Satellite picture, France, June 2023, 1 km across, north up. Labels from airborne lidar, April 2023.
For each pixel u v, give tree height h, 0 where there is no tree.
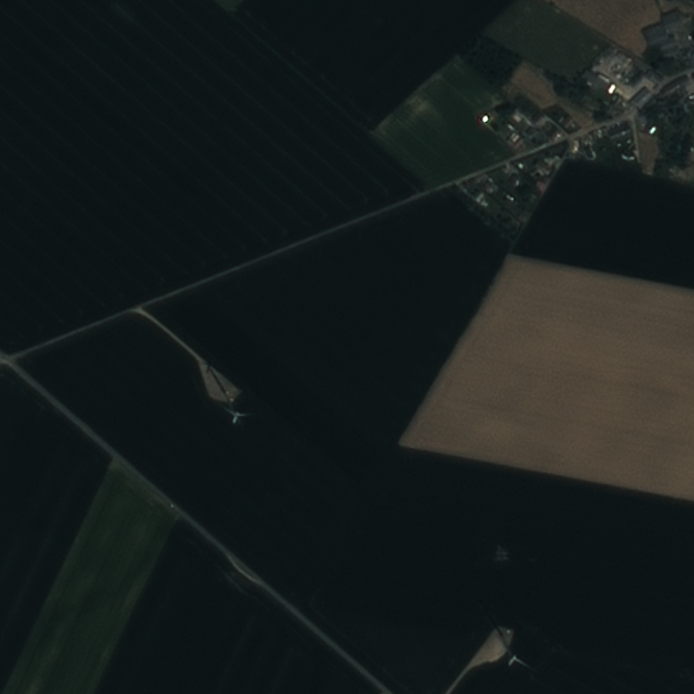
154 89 0
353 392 0
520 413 0
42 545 0
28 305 0
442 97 0
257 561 0
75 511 0
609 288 0
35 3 0
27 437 0
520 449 0
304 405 0
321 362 0
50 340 0
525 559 0
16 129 0
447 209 0
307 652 0
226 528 0
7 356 0
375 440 0
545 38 0
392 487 0
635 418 0
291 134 0
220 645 0
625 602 0
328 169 0
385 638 0
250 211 0
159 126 0
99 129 0
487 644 0
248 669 0
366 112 0
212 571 0
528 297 0
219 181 0
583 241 0
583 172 0
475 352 0
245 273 0
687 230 0
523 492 0
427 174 0
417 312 0
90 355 0
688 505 0
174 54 0
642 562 0
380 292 0
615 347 0
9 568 0
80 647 0
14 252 0
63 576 0
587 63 0
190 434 0
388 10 0
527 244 0
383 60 0
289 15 0
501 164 0
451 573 0
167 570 0
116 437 0
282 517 0
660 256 0
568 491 0
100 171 0
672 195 0
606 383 0
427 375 0
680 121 6
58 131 0
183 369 0
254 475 0
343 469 0
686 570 0
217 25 0
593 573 0
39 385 0
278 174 0
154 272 0
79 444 0
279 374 0
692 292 0
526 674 0
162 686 0
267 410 0
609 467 0
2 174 0
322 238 0
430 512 0
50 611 0
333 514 0
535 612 0
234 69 0
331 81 0
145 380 0
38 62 0
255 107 0
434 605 0
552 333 0
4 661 0
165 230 0
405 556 0
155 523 0
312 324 0
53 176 0
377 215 0
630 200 0
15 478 0
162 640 0
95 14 0
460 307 0
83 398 0
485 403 0
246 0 0
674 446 0
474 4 0
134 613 0
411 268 0
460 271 0
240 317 0
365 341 0
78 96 0
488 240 0
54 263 0
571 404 0
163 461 0
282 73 0
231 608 0
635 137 0
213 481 0
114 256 0
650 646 0
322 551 0
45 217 0
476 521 0
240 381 0
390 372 0
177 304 0
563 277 0
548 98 0
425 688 0
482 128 0
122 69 0
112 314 0
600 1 0
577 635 0
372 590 0
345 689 0
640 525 0
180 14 0
